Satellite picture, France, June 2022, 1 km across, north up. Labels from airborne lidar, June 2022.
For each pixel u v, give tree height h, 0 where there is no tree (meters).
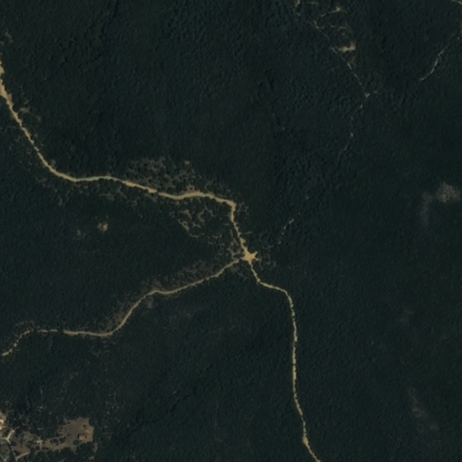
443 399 10
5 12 12
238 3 7
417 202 7
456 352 8
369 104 9
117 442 17
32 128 9
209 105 7
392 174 7
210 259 8
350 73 9
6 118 9
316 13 9
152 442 6
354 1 16
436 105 8
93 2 9
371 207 7
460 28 8
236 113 12
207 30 11
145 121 9
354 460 9
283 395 9
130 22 15
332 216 9
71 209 8
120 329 8
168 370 8
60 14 13
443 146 8
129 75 10
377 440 8
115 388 9
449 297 6
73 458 11
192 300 8
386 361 7
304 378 10
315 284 8
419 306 6
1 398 10
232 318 8
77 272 11
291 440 7
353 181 9
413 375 9
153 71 13
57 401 6
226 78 15
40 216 7
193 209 8
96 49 10
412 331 6
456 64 8
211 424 6
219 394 8
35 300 9
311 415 9
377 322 8
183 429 6
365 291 9
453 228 7
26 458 10
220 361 13
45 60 15
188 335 13
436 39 9
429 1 8
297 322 7
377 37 11
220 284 10
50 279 11
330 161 8
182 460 8
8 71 11
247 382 11
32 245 9
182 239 9
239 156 7
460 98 7
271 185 6
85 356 9
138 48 10
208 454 9
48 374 7
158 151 7
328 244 11
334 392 7
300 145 13
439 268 7
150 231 9
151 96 9
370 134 10
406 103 15
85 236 7
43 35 9
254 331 9
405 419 9
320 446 10
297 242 6
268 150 11
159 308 8
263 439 9
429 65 8
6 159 8
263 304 8
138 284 8
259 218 10
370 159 9
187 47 7
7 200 12
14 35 11
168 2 10
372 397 8
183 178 8
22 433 7
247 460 8
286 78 8
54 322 12
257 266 11
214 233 9
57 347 13
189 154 6
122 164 11
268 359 9
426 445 10
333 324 7
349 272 7
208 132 8
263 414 8
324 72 7
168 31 7
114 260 9
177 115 9
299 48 12
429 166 6
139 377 8
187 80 8
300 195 12
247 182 8
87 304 8
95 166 14
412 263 8
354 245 5
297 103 14
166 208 8
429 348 7
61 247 11
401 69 9
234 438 7
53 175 10
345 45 8
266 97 8
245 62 7
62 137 15
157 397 11
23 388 8
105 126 15
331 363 9
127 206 11
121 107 12
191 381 15
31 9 12
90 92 10
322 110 8
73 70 12
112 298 8
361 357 8
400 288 6
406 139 8
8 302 9
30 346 14
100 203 8
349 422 7
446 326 9
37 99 11
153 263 9
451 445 12
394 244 10
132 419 8
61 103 9
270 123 8
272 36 11
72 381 6
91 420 6
